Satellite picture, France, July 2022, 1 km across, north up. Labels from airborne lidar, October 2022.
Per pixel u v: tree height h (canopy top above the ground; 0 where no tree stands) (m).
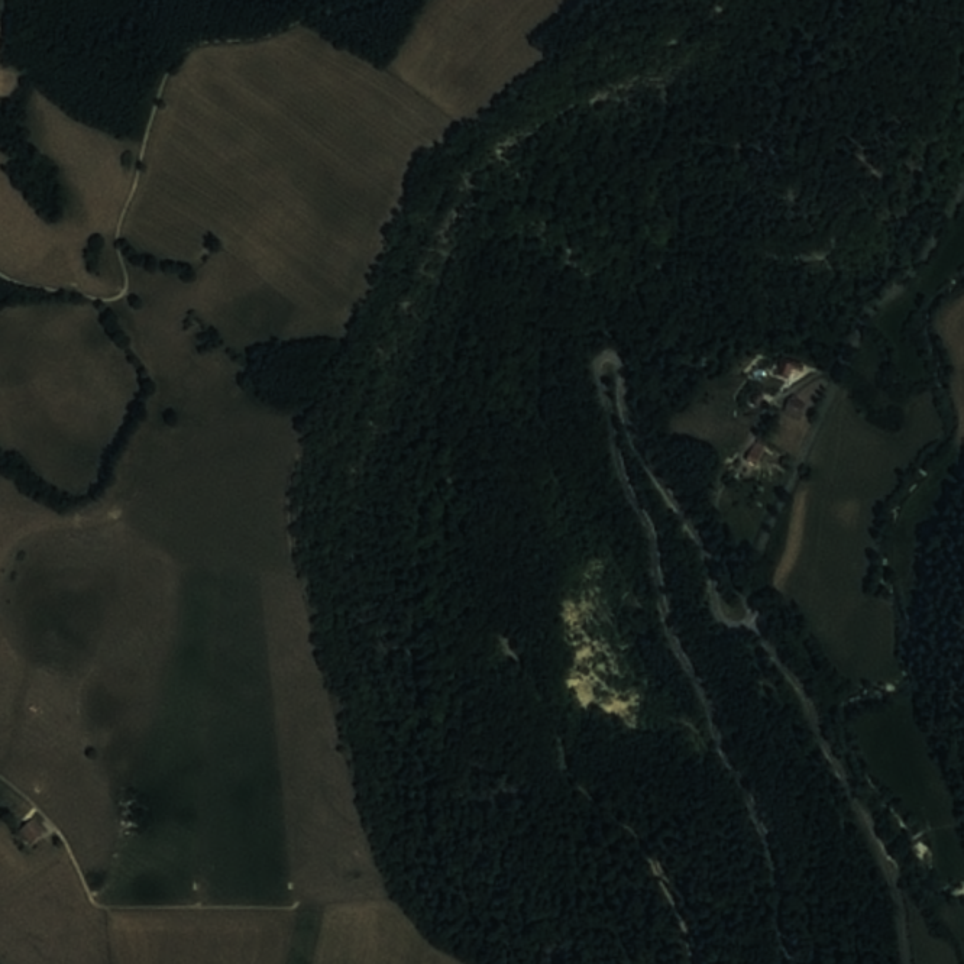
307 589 7
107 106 10
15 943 0
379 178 0
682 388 30
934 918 18
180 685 0
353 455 19
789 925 31
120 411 0
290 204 0
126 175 0
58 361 0
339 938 0
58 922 0
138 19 10
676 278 28
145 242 0
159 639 0
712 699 15
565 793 20
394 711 34
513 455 30
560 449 23
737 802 18
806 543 0
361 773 16
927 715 18
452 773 26
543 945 15
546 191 17
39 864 0
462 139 23
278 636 0
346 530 24
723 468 20
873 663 0
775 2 28
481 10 0
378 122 0
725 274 30
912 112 16
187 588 0
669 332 24
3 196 0
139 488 0
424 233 15
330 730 0
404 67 0
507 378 29
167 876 0
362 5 16
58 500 16
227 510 0
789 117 26
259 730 0
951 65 23
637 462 16
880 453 0
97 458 0
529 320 18
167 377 0
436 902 23
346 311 0
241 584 0
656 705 8
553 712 22
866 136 23
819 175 24
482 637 25
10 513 0
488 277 20
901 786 0
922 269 24
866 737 0
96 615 0
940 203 14
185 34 17
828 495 0
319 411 18
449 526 28
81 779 0
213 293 0
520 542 21
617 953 20
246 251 0
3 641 0
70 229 0
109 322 17
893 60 29
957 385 0
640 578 10
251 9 21
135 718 0
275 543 0
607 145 30
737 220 23
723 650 22
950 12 24
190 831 0
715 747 16
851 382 27
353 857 0
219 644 0
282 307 0
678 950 20
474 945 18
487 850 22
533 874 23
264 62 0
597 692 7
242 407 0
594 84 24
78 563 0
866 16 26
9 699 0
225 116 0
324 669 12
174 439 0
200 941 0
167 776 0
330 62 0
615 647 6
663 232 27
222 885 0
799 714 19
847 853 17
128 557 0
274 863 0
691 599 13
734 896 25
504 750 27
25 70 8
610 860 24
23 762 0
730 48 17
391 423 16
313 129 0
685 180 28
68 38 16
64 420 0
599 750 20
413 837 18
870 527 0
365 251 0
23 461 8
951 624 21
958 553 10
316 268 0
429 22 0
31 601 0
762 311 26
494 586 23
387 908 0
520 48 0
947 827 0
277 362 15
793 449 0
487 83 0
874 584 16
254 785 0
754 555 23
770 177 19
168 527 0
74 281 0
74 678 0
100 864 0
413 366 19
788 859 19
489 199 36
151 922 0
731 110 26
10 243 0
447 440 28
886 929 23
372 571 24
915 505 0
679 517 22
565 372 25
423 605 25
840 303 23
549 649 25
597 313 23
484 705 30
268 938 0
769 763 22
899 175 33
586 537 15
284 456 0
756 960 21
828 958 30
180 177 0
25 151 7
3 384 0
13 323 0
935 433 0
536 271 25
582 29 12
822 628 0
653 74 10
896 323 0
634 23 16
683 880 18
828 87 24
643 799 10
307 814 0
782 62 36
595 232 26
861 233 21
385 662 15
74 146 0
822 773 12
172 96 0
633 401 24
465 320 15
